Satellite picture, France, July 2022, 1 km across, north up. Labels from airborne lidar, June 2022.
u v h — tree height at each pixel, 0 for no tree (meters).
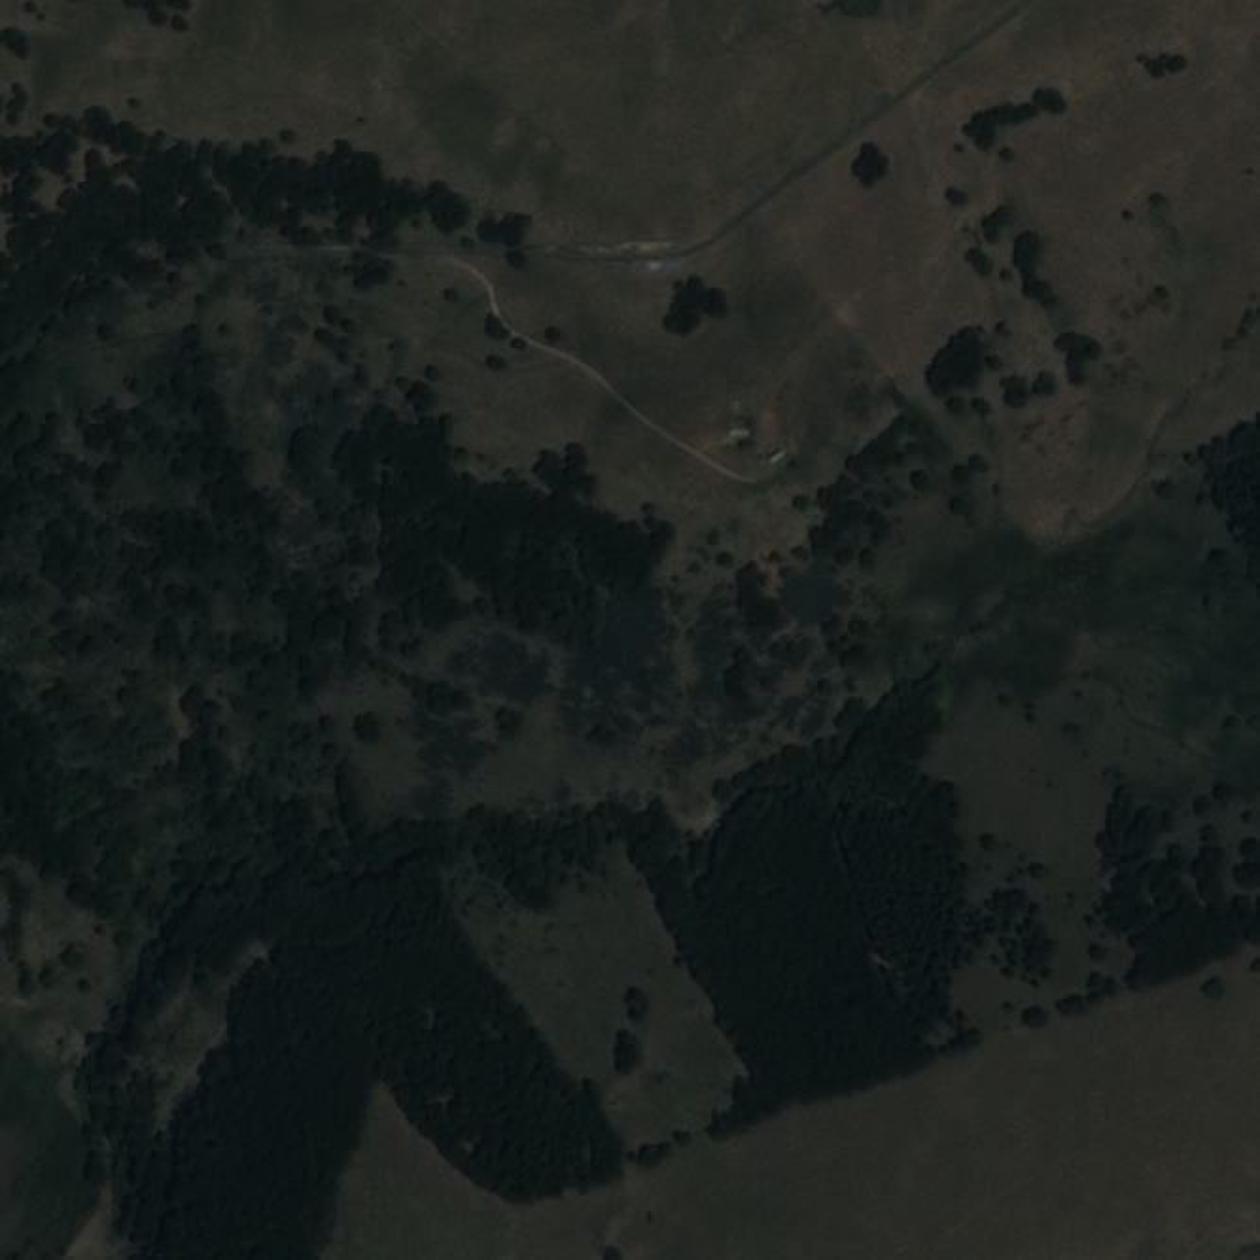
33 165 6
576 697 0
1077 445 0
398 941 15
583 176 0
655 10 0
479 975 15
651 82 0
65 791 11
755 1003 17
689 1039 0
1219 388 0
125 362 0
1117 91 0
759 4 0
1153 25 0
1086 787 0
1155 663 0
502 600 11
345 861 16
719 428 0
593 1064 0
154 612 8
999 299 0
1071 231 0
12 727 13
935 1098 0
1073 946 0
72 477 8
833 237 0
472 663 0
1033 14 0
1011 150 7
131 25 0
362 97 0
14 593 13
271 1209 21
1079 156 0
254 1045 21
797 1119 0
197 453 13
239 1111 20
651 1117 0
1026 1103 0
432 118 0
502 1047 14
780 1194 0
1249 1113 0
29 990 12
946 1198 0
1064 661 0
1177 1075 0
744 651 13
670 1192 0
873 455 12
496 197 0
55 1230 0
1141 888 14
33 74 0
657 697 0
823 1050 18
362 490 13
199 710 17
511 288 0
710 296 11
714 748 0
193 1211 23
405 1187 0
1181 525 0
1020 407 9
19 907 7
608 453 0
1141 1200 0
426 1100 13
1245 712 0
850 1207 0
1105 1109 0
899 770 16
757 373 0
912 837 18
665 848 12
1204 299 0
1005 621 0
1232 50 0
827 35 0
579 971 0
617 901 0
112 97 0
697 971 15
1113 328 0
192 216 13
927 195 0
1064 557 0
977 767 0
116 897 15
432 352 0
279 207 8
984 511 0
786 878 18
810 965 18
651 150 0
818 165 0
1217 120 0
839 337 0
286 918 19
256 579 8
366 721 12
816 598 0
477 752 0
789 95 0
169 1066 0
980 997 0
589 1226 0
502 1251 0
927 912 16
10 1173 0
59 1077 0
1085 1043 0
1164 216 0
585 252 0
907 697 13
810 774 10
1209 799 8
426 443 13
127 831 7
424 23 0
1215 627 0
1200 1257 0
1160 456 0
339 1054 17
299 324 0
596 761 0
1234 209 0
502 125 0
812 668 0
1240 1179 0
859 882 18
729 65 0
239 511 14
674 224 0
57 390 0
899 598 0
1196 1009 0
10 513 16
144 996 18
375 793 0
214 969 17
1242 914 17
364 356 0
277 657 13
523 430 0
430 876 16
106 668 0
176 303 0
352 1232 0
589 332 0
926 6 0
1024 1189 0
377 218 11
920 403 0
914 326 0
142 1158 12
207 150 10
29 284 11
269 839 10
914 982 14
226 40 0
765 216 0
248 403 0
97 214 9
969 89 0
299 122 0
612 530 11
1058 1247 0
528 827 8
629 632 0
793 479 0
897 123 0
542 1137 13
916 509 0
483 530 14
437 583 7
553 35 0
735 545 0
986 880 0
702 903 17
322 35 0
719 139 0
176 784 11
